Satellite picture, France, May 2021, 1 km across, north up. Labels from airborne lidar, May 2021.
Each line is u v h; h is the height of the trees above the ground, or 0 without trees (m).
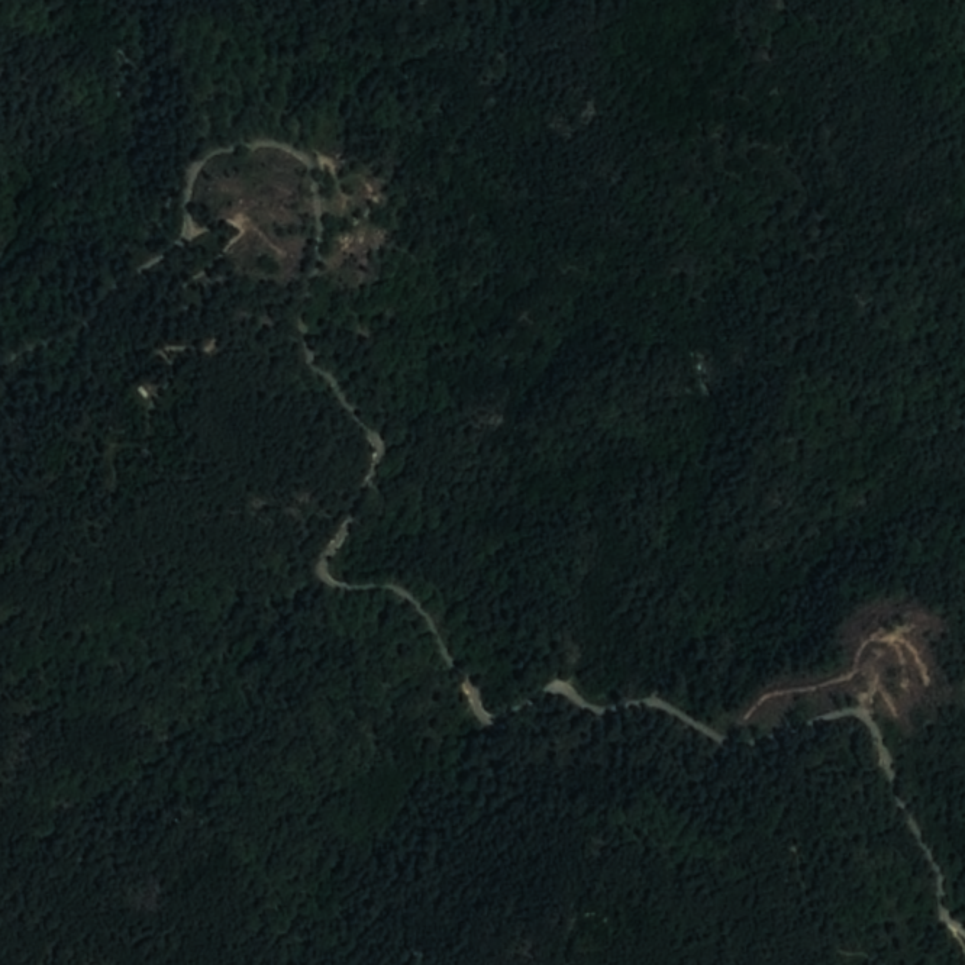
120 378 8
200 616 27
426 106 16
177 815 10
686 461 13
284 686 19
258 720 26
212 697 24
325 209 0
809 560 19
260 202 0
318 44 31
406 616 15
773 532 14
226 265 16
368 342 26
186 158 15
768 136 15
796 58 15
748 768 23
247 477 24
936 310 8
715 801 21
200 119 13
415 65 20
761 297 23
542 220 15
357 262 9
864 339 21
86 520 18
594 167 15
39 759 20
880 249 18
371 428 14
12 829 18
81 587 21
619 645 12
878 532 10
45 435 20
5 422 24
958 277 10
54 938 16
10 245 9
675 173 6
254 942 19
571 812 22
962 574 12
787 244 11
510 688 14
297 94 19
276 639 29
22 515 19
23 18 21
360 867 25
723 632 7
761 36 16
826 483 17
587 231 6
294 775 16
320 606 25
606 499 9
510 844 19
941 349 16
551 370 16
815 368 20
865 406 19
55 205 20
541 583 12
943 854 17
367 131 15
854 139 14
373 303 22
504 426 8
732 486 17
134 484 8
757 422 18
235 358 19
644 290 17
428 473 19
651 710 14
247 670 27
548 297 13
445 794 19
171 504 20
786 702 0
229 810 23
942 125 23
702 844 17
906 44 10
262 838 22
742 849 13
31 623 22
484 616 31
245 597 27
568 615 19
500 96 15
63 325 19
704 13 15
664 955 12
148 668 20
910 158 19
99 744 17
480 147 14
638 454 24
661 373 23
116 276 20
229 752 25
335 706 22
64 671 19
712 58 19
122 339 21
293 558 20
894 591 16
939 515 23
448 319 21
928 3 20
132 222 18
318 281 21
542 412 14
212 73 20
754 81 19
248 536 21
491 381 17
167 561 22
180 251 19
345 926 24
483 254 19
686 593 22
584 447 16
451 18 8
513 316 8
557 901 17
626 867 19
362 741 18
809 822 8
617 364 20
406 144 10
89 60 29
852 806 24
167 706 21
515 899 17
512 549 20
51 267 16
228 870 18
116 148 24
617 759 17
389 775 25
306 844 25
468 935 18
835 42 14
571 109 8
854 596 16
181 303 19
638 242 9
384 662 20
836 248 11
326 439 23
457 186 23
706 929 23
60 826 21
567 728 18
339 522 19
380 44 19
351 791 22
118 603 23
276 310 23
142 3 18
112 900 16
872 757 21
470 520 22
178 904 19
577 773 12
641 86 15
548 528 25
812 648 21
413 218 20
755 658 11
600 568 9
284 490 22
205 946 16
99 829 24
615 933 7
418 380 7
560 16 27
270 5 28
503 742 26
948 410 16
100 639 25
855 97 16
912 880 10
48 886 18
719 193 18
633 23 17
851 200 14
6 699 17
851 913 16
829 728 22
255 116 18
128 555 24
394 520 13
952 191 11
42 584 18
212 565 22
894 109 19
